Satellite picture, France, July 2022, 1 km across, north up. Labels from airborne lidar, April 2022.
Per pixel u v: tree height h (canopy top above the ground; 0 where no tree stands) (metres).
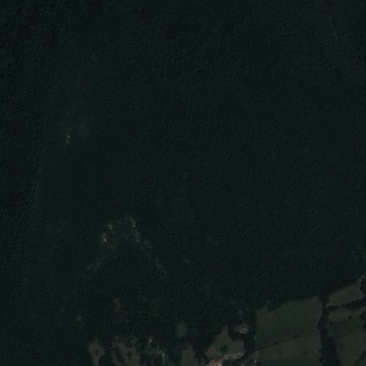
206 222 7
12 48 20
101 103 8
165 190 9
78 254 10
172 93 15
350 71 15
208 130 9
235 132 8
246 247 10
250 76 8
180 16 17
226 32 13
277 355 0
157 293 9
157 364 13
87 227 12
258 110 7
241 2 16
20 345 9
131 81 10
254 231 11
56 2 21
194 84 16
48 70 10
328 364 13
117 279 13
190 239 10
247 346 16
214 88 9
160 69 14
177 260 10
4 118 15
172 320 11
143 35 13
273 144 7
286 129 15
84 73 8
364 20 12
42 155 7
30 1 29
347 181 13
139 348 16
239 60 12
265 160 12
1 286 9
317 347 0
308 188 7
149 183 12
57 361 10
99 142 11
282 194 10
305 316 0
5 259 11
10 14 23
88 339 14
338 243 9
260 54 10
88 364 14
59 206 8
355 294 0
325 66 13
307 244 10
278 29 13
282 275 11
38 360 10
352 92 9
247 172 9
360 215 13
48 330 11
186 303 10
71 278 12
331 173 11
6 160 15
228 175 7
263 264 8
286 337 0
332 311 13
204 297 7
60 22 17
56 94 7
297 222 6
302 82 12
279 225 14
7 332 7
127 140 9
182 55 20
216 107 10
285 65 8
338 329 0
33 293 10
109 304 13
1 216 9
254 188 9
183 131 12
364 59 7
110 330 10
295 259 13
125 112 11
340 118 11
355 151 10
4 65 23
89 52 13
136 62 12
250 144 11
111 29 12
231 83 11
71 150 7
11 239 8
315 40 6
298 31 14
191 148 12
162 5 17
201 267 8
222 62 12
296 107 10
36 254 7
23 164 15
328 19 12
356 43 9
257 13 15
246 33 11
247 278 10
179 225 8
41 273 6
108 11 21
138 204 10
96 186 11
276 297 11
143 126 10
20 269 8
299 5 13
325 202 12
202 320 12
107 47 12
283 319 0
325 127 15
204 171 6
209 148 8
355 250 9
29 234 12
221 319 12
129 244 7
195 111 12
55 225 5
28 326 12
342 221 10
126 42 14
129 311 16
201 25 15
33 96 13
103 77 7
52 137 6
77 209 13
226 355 0
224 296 7
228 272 9
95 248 9
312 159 10
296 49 11
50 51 15
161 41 18
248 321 7
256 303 6
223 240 6
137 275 11
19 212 8
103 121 8
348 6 8
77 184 12
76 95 7
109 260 9
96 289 10
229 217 10
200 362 11
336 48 14
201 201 7
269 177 6
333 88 11
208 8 15
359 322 0
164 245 11
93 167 11
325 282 11
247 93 11
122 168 12
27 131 16
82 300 10
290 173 12
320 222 10
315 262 11
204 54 20
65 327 11
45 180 8
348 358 0
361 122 14
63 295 10
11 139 14
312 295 14
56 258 10
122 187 11
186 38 15
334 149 11
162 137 13
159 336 9
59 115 6
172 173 16
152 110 15
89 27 16
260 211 11
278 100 8
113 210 11
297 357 0
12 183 12
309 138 9
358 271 10
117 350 7
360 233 9
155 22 15
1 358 9
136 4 15
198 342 8
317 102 12
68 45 8
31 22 24
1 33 20
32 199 12
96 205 12
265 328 0
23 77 11
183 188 8
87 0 21
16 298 8
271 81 12
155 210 9
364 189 12
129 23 12
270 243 11
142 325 14
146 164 11
